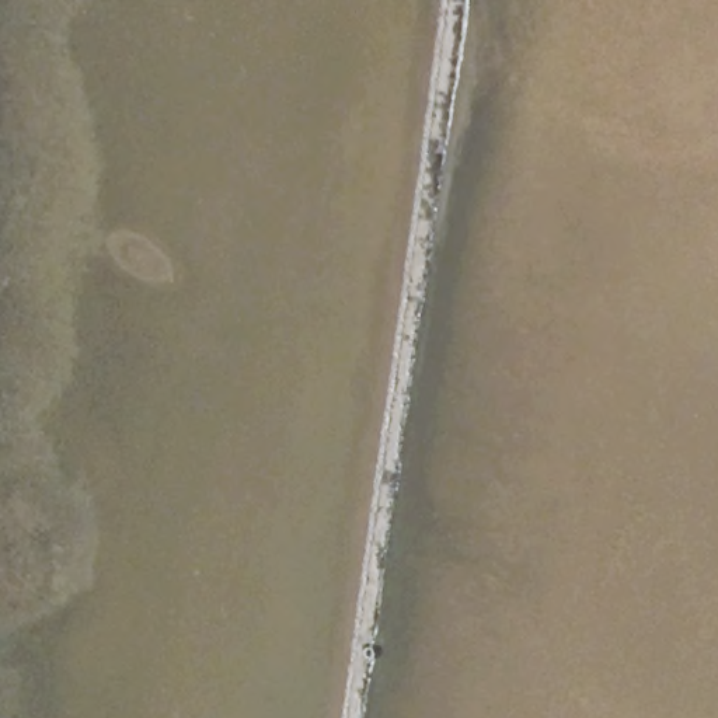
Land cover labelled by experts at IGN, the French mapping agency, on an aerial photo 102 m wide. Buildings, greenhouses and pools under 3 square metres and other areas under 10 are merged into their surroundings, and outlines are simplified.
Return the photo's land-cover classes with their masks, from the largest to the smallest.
<instances>
[{"label":"water","instance_id":"1","mask_svg":"<svg viewBox=\"0 0 718 718\"><path fill-rule=\"evenodd\" d=\"M440 0H0V718H342L359 575L373 496V468L379 454L387 376L393 362V334L404 280V258L412 219V194L418 177L421 132L429 95ZM454 177L443 233L432 238V247H426L424 300L418 309L412 379L407 390L409 401L401 426L398 466L395 471L384 474V482L393 494V505L387 541L379 553L381 597L373 611L376 665L362 684V718H718V0H471L468 45L452 132Z\"/></svg>","mask_w":718,"mask_h":718},{"label":"pervious surface","instance_id":"2","mask_svg":"<svg viewBox=\"0 0 718 718\"><path fill-rule=\"evenodd\" d=\"M471 0H440L429 95L421 132L418 177L412 194V219L404 258V280L393 334V362L387 376L379 454L373 468V496L359 575L342 718H362V684L376 665L373 611L381 597L379 553L387 541L393 505V494L384 482V474L395 471L398 466L401 426L409 401L407 390L412 379L418 309L424 300L426 247H432V238L443 233L454 177L452 132L468 45Z\"/></svg>","mask_w":718,"mask_h":718}]
</instances>
